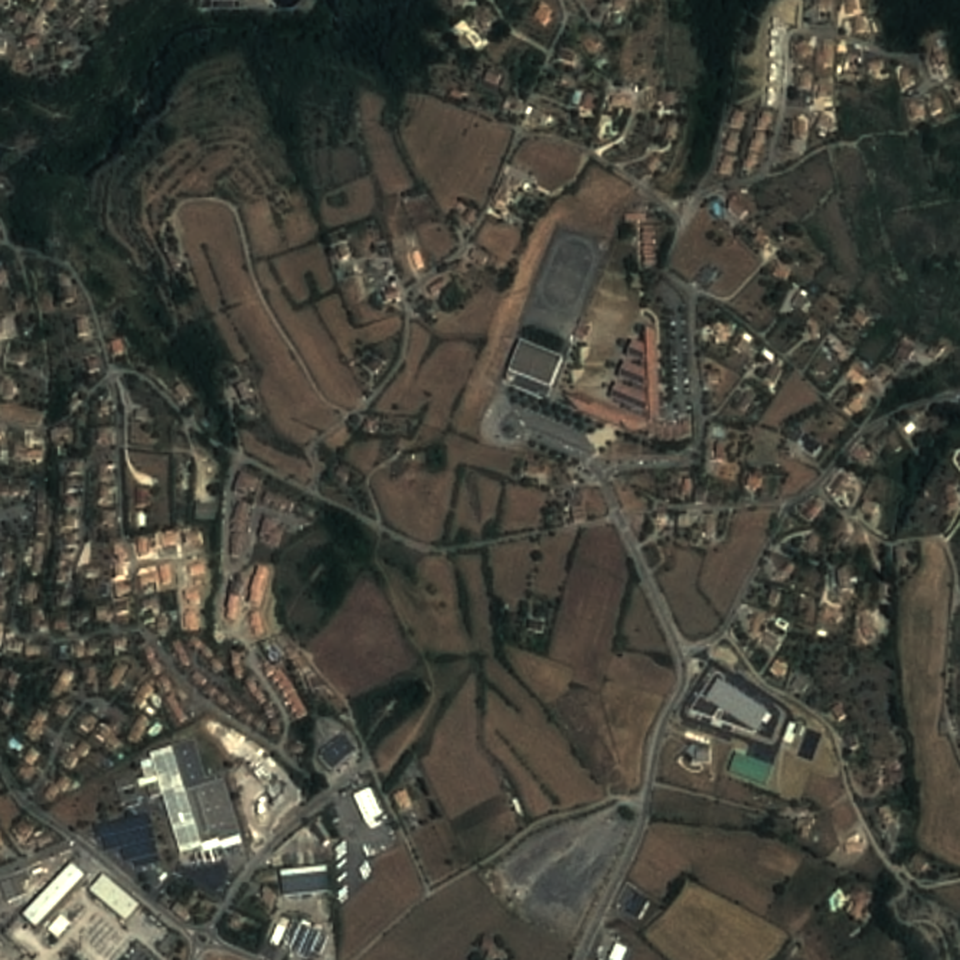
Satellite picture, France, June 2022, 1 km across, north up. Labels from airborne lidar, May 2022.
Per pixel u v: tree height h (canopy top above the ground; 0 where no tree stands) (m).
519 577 0
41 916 0
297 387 0
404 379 0
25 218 7
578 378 0
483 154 0
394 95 7
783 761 0
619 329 0
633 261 7
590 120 10
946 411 11
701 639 0
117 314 8
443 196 0
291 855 0
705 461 7
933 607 0
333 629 0
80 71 6
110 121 12
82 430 6
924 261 7
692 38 7
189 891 7
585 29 6
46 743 7
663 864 0
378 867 0
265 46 16
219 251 0
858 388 8
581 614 0
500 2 9
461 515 0
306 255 0
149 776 0
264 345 0
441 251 0
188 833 0
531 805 0
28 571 6
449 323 0
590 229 0
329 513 8
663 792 0
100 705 0
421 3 9
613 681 0
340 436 0
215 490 12
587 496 0
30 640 0
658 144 8
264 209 0
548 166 0
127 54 8
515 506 0
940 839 0
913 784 15
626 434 8
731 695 0
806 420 8
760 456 0
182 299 8
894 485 0
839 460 9
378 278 0
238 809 0
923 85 0
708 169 0
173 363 12
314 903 0
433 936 0
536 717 0
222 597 0
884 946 0
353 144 9
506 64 6
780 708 0
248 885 6
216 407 6
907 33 9
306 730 7
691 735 0
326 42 20
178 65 9
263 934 9
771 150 0
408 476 0
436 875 0
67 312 0
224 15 11
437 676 0
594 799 0
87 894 0
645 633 0
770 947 0
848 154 0
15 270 11
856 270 0
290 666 10
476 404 0
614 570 0
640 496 7
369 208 0
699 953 0
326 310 0
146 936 0
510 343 0
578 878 0
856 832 0
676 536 6
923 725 0
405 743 0
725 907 0
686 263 0
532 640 7
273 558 7
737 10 15
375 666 0
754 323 0
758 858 0
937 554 0
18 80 9
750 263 0
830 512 8
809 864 0
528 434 0
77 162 10
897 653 0
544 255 0
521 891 0
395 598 0
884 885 14
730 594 0
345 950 0
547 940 0
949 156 7
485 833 0
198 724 0
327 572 8
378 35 18
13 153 0
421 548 0
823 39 0
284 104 7
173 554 0
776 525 7
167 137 15
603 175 0
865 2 0
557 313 0
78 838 0
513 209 7
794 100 9
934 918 0
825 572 7
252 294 0
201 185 0
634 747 0
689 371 0
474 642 0
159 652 0
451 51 6
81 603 10
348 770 0
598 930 0
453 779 0
